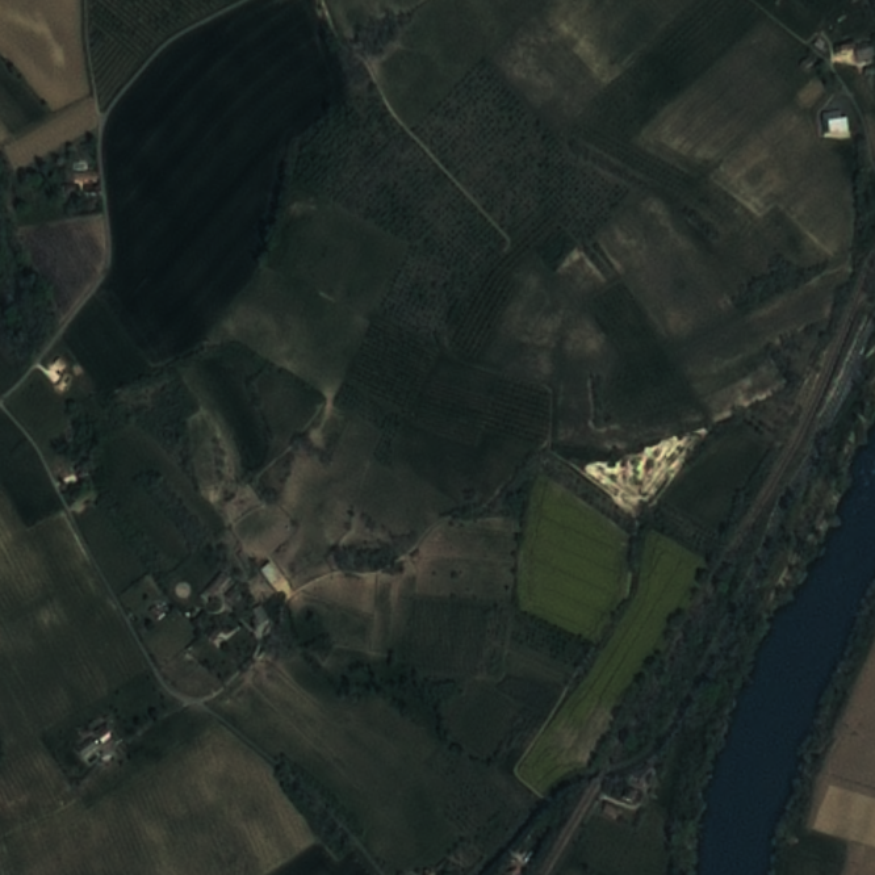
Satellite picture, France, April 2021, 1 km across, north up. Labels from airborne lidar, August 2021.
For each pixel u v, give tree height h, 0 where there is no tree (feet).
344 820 48
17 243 90
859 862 0
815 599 0
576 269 0
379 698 71
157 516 0
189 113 0
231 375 0
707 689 76
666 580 0
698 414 0
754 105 0
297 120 0
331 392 0
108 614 0
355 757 0
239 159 0
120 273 0
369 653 0
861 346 0
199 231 0
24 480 0
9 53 0
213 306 0
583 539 0
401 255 0
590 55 0
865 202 39
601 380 31
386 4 0
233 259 0
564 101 0
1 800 0
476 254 24
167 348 0
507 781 0
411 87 0
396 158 24
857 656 62
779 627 0
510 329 0
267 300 0
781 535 29
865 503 0
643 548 59
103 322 0
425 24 0
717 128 0
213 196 0
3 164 47
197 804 0
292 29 0
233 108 0
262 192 0
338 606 0
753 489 29
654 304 0
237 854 0
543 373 0
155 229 0
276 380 0
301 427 0
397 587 0
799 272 28
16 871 0
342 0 0
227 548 34
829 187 0
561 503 0
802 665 0
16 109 0
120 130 0
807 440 47
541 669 0
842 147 0
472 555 0
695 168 0
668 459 0
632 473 0
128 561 0
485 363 0
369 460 0
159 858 0
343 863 0
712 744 54
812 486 45
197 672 0
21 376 0
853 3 0
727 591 54
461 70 0
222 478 33
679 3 0
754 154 0
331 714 0
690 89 0
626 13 0
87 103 0
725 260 0
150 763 0
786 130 0
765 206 0
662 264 0
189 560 20
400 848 0
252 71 0
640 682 51
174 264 0
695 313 0
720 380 0
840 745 0
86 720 0
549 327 0
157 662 33
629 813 0
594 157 39
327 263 0
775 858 43
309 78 0
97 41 20
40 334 63
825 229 0
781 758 0
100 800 0
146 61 0
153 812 0
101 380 0
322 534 0
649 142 0
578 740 0
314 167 18
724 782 0
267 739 0
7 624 0
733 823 0
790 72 0
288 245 0
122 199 0
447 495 0
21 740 0
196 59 0
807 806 38
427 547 0
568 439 0
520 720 30
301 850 0
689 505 0
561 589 0
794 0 0
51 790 0
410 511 21
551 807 34
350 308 0
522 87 0
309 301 0
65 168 25
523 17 0
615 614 24
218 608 20
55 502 0
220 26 0
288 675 0
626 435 0
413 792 0
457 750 47
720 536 23
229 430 0
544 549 0
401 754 0
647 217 0
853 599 0
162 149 0
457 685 31
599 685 0
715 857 0
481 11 0
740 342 0
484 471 0
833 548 0
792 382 25
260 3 0
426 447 0
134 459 0
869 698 0
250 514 0
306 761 0
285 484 21
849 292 48
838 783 0
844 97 0
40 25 0
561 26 0
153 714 31
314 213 0
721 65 0
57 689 0
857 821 0
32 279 81
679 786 65
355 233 0
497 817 18
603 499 23
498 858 22
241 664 34
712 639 69
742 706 0
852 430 44
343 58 47
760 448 0
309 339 0
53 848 0
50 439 0
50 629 0
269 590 0
